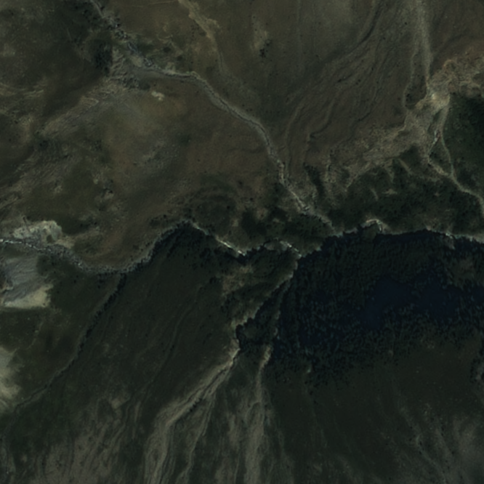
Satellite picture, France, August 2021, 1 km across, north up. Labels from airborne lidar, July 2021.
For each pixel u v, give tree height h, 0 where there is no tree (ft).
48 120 0
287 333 21
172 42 0
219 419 0
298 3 0
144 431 0
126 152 0
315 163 0
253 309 0
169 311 0
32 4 0
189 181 0
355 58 0
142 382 0
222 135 0
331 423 0
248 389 0
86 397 0
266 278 20
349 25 0
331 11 0
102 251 0
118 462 0
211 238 31
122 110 0
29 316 0
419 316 41
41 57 0
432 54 0
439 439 0
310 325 38
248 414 0
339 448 0
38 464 0
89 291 0
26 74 0
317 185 25
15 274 0
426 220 0
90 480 0
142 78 0
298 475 0
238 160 0
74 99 0
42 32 0
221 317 0
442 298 49
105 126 0
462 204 31
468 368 0
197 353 0
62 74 0
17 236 0
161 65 0
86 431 0
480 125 33
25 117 0
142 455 0
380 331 20
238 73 0
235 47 0
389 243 43
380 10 0
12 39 0
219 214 0
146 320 0
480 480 0
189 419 0
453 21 0
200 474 0
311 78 0
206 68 0
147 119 0
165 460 0
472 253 43
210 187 0
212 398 0
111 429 0
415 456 0
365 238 24
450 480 0
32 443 0
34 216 0
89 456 0
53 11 0
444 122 0
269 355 0
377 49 0
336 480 0
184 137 0
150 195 0
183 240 36
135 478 0
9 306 0
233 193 0
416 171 0
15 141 0
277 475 0
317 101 0
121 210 0
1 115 0
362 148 0
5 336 0
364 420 0
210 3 0
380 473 0
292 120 0
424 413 0
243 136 0
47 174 0
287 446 0
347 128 0
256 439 0
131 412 0
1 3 0
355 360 28
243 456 0
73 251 0
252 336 0
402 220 26
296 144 0
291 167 0
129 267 0
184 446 0
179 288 0
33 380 0
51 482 0
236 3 0
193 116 0
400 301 35
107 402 0
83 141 0
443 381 0
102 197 0
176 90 0
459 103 0
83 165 0
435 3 0
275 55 0
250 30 0
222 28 0
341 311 26
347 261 36
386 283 26
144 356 0
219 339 0
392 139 0
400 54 0
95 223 0
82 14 0
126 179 0
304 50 0
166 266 0
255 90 0
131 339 0
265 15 0
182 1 0
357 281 21
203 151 0
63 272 0
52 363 0
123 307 0
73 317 0
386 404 0
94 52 0
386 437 0
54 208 0
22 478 0
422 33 0
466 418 0
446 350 0
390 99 0
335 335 38
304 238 18
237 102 0
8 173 0
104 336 0
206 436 0
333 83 0
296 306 20
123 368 0
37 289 0
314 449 0
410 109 0
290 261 26
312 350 41
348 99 0
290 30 0
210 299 0
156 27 0
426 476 0
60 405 0
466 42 0
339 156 0
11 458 0
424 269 26
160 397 0
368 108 0
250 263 22
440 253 25
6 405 0
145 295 0
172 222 0
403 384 0
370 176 0
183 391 0
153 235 0
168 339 0
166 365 0
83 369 0
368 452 0
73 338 0
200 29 0
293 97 0
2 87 0
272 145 0
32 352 0
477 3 0
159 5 0
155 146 0
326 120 0
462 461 0
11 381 0
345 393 0
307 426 0
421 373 0
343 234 0
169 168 0
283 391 0
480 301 21
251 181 0
